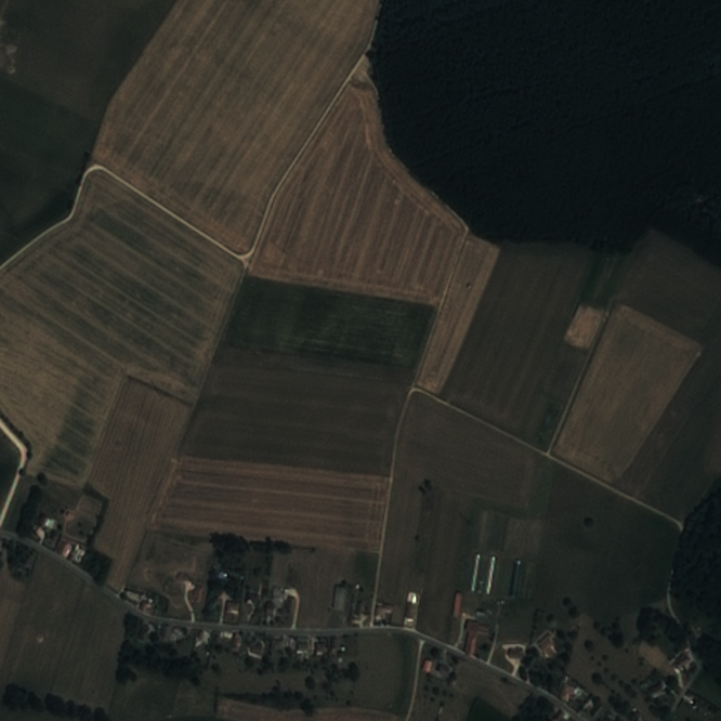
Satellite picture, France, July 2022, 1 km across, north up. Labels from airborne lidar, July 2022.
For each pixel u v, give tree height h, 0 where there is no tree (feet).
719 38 41
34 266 0
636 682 25
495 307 0
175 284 0
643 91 47
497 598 0
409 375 0
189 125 0
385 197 0
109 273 0
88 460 0
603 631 33
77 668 0
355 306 0
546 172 46
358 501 0
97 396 0
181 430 0
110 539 0
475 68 45
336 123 0
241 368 0
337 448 0
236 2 0
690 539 59
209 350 0
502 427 0
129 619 46
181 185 0
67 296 0
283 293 0
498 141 55
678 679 40
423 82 55
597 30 39
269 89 0
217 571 22
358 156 0
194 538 0
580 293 0
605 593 0
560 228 49
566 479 0
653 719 0
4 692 0
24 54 0
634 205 45
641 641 20
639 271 0
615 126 37
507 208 39
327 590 0
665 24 45
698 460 0
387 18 51
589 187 49
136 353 0
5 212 0
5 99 0
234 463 0
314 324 0
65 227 0
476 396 0
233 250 0
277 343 0
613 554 0
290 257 0
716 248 39
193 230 0
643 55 44
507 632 0
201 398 0
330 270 0
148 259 0
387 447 0
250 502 0
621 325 0
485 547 0
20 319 0
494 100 49
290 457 0
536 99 51
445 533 0
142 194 0
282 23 0
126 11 0
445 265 0
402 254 0
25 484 0
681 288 0
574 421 0
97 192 0
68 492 0
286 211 0
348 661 0
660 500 0
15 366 0
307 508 0
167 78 0
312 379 0
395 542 0
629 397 0
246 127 0
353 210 0
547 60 34
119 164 0
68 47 0
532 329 0
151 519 0
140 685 0
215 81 0
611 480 0
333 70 0
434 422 0
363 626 0
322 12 0
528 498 0
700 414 0
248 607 0
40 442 0
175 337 0
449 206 27
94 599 0
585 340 0
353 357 0
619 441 0
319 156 0
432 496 0
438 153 51
